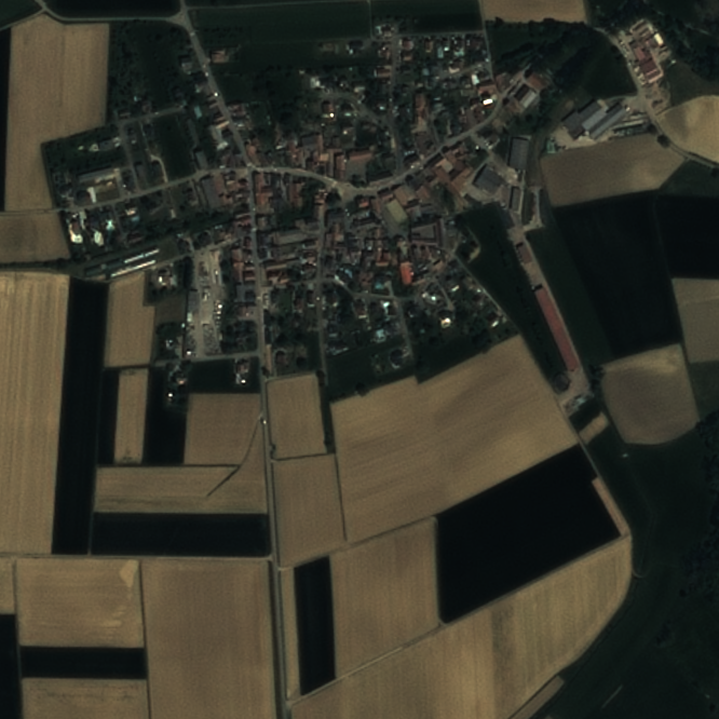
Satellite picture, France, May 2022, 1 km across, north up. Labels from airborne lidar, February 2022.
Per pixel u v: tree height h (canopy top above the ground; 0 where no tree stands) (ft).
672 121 0
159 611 0
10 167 0
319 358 0
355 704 0
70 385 0
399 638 0
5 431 0
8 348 0
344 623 0
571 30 67
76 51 0
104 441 0
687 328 0
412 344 0
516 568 0
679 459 0
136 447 0
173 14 0
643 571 0
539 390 0
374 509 0
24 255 0
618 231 0
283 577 0
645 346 0
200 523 0
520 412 0
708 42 0
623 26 68
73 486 0
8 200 0
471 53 21
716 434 60
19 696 0
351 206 0
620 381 0
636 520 0
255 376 0
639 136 0
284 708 0
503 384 0
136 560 0
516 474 0
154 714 0
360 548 0
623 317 0
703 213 0
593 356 0
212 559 0
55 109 0
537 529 0
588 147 0
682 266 0
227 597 0
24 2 0
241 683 0
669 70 0
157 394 0
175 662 0
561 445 0
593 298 0
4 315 0
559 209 0
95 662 0
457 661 0
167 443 0
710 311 0
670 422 0
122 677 0
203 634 0
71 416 0
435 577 0
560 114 0
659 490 0
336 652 0
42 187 0
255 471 0
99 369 0
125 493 0
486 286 0
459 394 0
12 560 0
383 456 0
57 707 0
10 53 0
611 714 0
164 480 0
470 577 0
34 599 0
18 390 0
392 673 0
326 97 0
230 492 0
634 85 0
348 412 0
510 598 0
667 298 0
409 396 0
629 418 0
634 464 0
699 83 0
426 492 0
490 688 0
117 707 0
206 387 0
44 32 0
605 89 0
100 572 0
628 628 0
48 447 0
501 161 0
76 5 0
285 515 0
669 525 0
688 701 0
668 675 0
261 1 0
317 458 0
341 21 0
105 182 0
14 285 0
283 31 0
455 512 0
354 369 0
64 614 0
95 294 0
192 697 0
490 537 0
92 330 0
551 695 0
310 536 0
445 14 0
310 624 0
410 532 0
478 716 0
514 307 0
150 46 0
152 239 32
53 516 0
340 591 0
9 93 0
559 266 0
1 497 0
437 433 0
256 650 0
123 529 0
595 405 0
